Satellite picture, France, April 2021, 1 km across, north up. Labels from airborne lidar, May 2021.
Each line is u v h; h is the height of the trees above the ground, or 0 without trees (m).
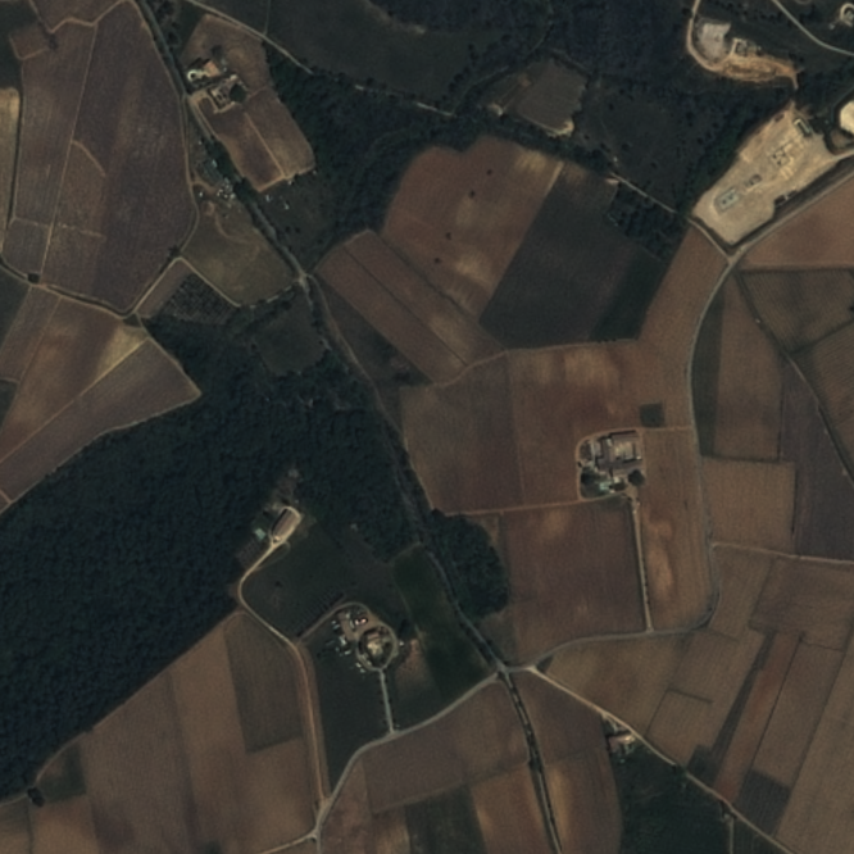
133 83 0
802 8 0
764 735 0
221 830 0
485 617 9
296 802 0
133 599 10
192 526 15
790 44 0
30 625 13
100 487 8
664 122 0
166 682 0
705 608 0
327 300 0
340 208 6
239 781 0
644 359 0
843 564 0
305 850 0
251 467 14
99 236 0
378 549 11
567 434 0
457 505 0
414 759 0
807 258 0
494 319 0
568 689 0
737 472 0
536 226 0
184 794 0
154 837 0
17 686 8
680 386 0
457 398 0
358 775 0
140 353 0
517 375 0
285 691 0
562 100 0
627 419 0
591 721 0
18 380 0
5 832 0
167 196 0
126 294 0
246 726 0
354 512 9
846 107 0
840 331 0
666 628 0
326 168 12
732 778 0
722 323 0
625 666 0
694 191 6
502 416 0
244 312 12
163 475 9
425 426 0
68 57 0
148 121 0
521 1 11
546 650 0
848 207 0
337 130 7
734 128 13
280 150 0
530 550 0
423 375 0
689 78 7
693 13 8
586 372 0
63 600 16
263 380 13
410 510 12
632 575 0
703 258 0
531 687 0
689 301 0
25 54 0
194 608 16
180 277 0
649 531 0
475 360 0
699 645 0
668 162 0
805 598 0
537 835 0
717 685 0
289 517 0
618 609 0
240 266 0
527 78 0
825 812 0
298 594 0
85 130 0
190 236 0
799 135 0
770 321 0
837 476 0
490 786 0
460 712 0
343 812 0
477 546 14
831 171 0
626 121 0
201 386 11
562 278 0
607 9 11
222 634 0
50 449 0
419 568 0
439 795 0
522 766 0
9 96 0
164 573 16
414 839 0
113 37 0
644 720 0
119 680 13
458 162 0
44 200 0
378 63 0
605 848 0
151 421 8
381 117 7
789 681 0
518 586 0
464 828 0
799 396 0
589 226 0
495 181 0
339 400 11
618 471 0
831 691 0
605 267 0
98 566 19
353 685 0
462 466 0
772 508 0
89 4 0
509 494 0
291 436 13
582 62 12
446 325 0
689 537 0
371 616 0
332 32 0
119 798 0
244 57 0
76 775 0
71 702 14
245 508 15
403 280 0
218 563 18
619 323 0
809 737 0
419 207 0
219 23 0
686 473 0
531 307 0
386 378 0
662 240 10
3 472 0
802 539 0
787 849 0
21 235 0
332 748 0
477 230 0
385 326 0
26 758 15
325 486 12
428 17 12
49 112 0
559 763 0
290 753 0
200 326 10
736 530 0
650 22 13
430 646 0
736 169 0
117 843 0
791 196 0
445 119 6
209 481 19
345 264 0
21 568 15
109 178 0
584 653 0
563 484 0
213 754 0
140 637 6
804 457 0
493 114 12
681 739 0
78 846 0
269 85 0
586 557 0
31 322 0
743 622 0
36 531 17
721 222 0
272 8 0
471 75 13
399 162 11
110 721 0
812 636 0
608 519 0
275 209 0
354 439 12
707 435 0
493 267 0
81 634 13
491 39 0
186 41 0
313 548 0
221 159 11
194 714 0
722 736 0
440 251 0
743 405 0
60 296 0
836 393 0
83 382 0
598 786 0
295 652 0
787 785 0
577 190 0
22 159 0
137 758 0
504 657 6
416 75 0
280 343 0
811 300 0
